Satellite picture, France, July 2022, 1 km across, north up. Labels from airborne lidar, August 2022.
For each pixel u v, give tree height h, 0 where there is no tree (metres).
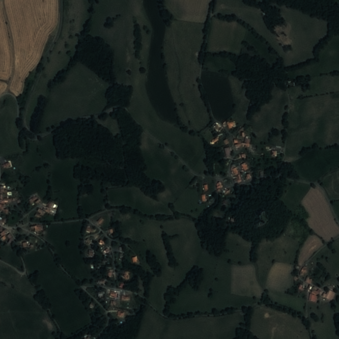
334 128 0
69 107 0
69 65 10
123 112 16
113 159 14
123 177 8
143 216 13
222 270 0
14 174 0
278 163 11
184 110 0
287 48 16
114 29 0
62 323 0
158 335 0
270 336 0
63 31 0
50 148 0
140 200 0
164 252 0
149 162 0
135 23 7
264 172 8
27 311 0
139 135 21
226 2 0
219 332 0
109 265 11
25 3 0
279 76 21
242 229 14
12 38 0
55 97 0
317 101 0
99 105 0
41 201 0
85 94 0
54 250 7
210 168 11
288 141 0
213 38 0
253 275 0
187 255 0
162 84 0
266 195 18
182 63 0
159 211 0
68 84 0
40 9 0
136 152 11
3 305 0
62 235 0
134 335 10
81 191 17
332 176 0
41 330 0
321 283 5
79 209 15
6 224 8
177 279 0
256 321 0
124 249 18
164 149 10
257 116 0
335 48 0
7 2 0
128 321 14
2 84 0
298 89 0
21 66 0
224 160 13
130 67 0
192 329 0
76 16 0
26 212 7
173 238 8
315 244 0
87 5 0
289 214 13
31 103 0
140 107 0
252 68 10
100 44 13
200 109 0
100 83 0
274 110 0
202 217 10
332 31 13
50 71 0
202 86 11
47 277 0
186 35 0
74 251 0
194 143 0
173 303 16
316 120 0
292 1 16
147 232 0
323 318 8
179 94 0
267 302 11
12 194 0
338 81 0
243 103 0
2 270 0
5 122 0
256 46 0
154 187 19
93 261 15
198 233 14
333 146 11
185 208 0
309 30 0
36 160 0
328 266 0
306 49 0
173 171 0
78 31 0
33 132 28
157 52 0
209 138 0
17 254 9
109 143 20
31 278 13
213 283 0
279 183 9
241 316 0
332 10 15
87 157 14
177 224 0
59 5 0
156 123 0
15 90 0
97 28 0
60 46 0
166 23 25
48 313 8
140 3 0
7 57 0
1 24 0
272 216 15
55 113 0
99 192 0
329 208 0
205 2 0
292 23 0
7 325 0
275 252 0
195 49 0
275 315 0
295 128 0
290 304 0
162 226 9
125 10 0
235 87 0
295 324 0
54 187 0
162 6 19
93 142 21
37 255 0
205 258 0
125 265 16
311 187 11
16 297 0
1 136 0
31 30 0
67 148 18
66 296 0
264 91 16
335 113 0
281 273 0
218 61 0
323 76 7
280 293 0
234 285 0
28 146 9
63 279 0
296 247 0
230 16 14
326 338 0
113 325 18
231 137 0
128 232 0
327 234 0
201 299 0
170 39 0
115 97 18
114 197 0
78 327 0
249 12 0
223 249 11
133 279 7
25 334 0
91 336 11
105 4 0
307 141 0
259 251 0
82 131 20
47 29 0
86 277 0
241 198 19
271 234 9
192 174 0
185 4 0
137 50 12
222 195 8
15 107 0
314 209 0
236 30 0
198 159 0
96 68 10
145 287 16
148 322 0
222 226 22
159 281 0
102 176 14
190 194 0
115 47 0
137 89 0
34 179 0
